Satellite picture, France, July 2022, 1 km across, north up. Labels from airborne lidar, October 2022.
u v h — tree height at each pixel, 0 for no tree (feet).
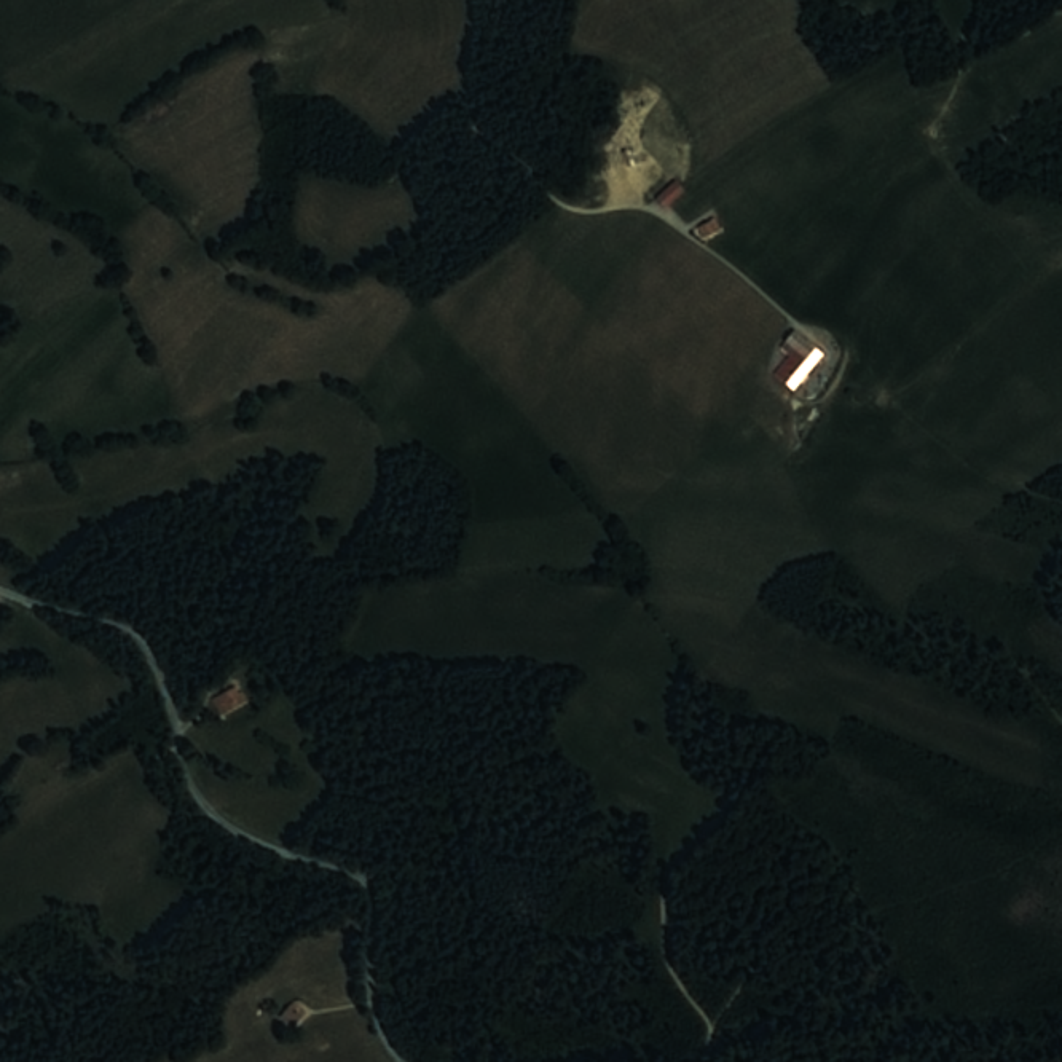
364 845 64
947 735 0
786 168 0
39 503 0
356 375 0
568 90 69
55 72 0
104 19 0
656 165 0
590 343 0
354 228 0
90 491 0
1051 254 0
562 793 82
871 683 0
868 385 0
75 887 0
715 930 87
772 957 99
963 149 0
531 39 76
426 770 85
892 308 0
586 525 0
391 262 78
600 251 0
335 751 92
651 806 0
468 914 49
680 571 0
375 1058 0
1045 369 0
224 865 20
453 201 92
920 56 50
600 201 0
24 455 0
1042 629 0
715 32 0
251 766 0
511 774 54
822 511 0
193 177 0
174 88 37
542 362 0
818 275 0
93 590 93
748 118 0
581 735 0
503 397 0
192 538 50
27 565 56
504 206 31
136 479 0
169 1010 54
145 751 62
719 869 91
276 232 96
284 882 36
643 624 0
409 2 0
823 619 29
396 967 101
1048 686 22
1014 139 24
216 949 97
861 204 0
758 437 0
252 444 0
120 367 0
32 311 0
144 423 0
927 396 0
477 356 0
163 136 0
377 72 0
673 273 0
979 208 0
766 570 0
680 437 0
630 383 0
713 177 0
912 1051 94
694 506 0
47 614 64
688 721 78
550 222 0
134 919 0
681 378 0
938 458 0
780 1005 57
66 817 0
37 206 55
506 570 0
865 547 0
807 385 0
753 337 0
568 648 0
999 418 0
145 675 57
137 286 0
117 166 0
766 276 0
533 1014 81
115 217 0
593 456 0
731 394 0
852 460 0
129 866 0
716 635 0
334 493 0
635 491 0
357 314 0
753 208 0
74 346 0
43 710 0
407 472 46
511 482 0
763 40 0
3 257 55
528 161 92
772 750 87
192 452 0
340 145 58
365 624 0
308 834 85
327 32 0
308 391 0
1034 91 0
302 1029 76
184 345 0
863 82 0
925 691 0
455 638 0
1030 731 0
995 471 0
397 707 77
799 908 92
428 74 0
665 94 0
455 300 0
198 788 0
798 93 0
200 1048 94
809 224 0
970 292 0
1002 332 0
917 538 0
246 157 0
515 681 89
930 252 0
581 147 72
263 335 0
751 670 0
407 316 0
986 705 20
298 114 36
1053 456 0
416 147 94
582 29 0
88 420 0
